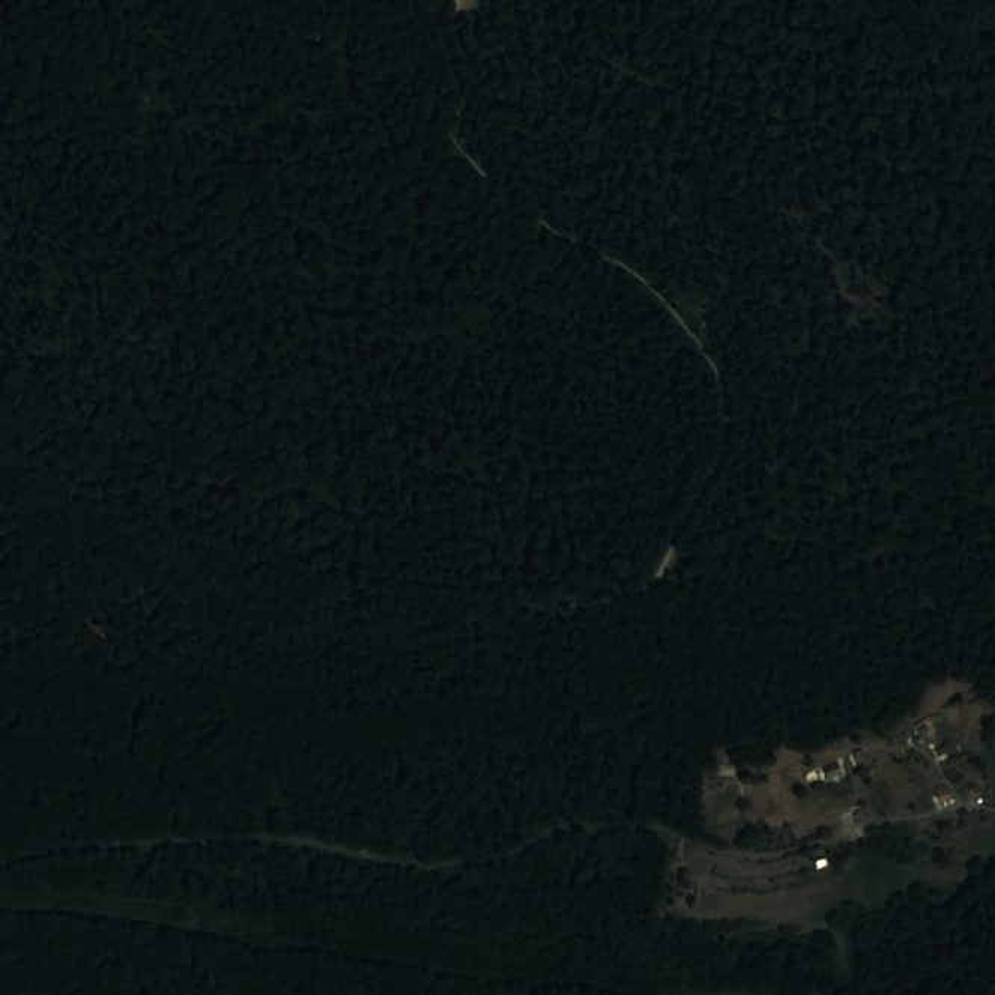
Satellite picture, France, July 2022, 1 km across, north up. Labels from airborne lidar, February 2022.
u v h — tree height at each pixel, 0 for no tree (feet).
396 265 108
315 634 82
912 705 82
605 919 55
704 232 64
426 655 76
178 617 85
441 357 70
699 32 95
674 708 82
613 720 91
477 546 90
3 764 89
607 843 89
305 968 91
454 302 81
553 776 83
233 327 94
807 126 81
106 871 70
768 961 75
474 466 0
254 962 77
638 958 66
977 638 80
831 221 66
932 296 75
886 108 106
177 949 80
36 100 79
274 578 95
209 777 88
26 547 115
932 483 75
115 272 78
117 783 93
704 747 76
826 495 68
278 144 87
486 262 80
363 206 103
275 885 69
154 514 90
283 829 82
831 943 72
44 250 88
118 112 91
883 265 72
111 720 90
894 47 106
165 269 72
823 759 0
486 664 88
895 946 80
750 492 82
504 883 45
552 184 69
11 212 106
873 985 89
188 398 105
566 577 94
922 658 76
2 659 72
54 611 89
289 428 96
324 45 89
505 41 80
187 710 80
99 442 105
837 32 94
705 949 67
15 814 94
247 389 103
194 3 77
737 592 53
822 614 79
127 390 117
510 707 89
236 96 83
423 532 86
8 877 58
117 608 86
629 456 39
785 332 55
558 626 61
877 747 0
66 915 45
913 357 51
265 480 87
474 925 79
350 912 80
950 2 102
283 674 81
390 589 85
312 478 98
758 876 0
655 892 53
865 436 40
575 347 29
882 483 60
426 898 75
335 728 81
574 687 96
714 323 75
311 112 80
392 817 99
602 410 42
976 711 0
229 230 96
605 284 71
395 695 63
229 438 100
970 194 110
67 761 95
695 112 53
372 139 91
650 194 69
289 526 86
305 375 84
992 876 94
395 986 65
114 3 82
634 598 72
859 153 95
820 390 48
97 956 90
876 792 0
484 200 98
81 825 84
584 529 36
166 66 94
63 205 104
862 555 64
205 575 92
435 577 89
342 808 80
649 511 26
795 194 78
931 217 83
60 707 86
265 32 98
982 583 67
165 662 74
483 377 67
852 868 0
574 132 42
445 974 20
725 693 87
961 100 71
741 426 58
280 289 76
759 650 83
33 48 94
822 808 0
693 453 61
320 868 80
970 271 90
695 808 64
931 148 89
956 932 75
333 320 90
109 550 99
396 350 83
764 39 64
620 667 105
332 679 73
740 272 44
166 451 89
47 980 90
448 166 102
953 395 58
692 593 74
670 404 35
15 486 101
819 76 27
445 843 78
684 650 80
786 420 56
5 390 113
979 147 89
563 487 81
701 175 79
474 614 74
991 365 85
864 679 80
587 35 65
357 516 52
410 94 70
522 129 87
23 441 113
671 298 55
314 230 94
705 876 0
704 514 59
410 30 84
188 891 86
